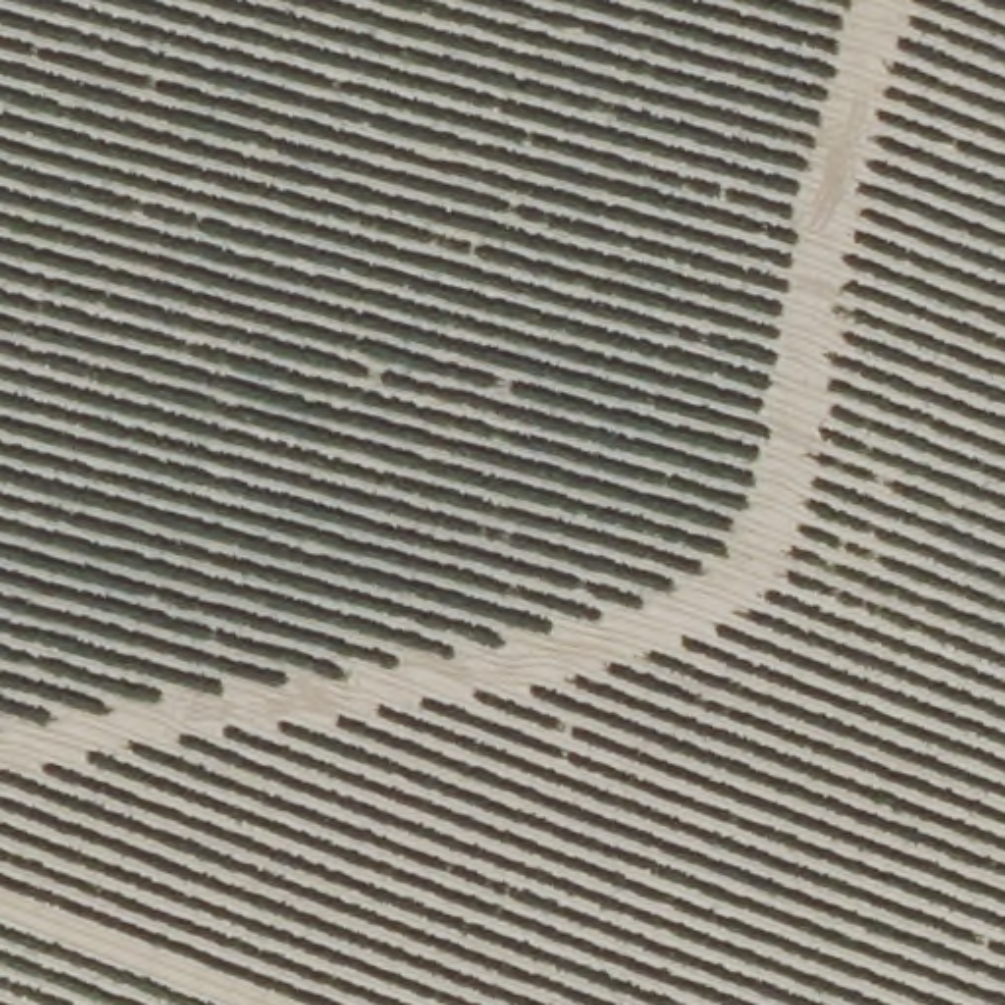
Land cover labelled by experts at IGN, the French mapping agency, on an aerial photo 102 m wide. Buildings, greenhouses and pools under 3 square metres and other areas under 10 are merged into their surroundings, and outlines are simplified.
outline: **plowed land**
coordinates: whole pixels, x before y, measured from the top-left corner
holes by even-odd
[[[130,934],[106,930],[98,923],[75,919],[59,907],[0,887],[0,923],[63,942],[90,958],[114,962],[122,970],[145,974],[153,981],[165,981],[181,993],[216,1005],[298,1005],[271,989],[216,974],[181,954],[157,950]]]

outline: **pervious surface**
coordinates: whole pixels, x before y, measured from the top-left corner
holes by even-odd
[[[762,400],[762,424],[769,428],[769,440],[758,448],[746,510],[738,510],[730,530],[718,530],[718,542],[726,542],[722,557],[711,554],[703,561],[703,573],[679,573],[679,581],[667,593],[656,589],[640,608],[608,605],[601,620],[577,620],[557,612],[550,620],[550,632],[510,628],[499,648],[455,636],[451,660],[400,648],[397,667],[377,667],[349,656],[342,667],[345,679],[322,679],[306,667],[294,667],[279,687],[228,675],[220,695],[165,683],[157,703],[126,699],[114,714],[86,714],[59,703],[51,711],[51,722],[43,726],[0,711],[0,769],[31,777],[39,766],[59,762],[86,773],[94,750],[118,754],[126,742],[149,742],[165,754],[177,754],[181,734],[200,734],[216,742],[228,726],[271,738],[279,722],[298,722],[330,734],[345,714],[377,726],[377,707],[397,707],[412,714],[424,699],[444,699],[463,707],[475,691],[495,691],[503,699],[526,703],[534,687],[557,691],[573,675],[601,679],[608,663],[640,667],[648,652],[667,652],[683,663],[695,663],[699,652],[683,648],[683,636],[711,644],[730,612],[758,612],[766,593],[781,593],[793,561],[789,550],[797,546],[801,526],[813,514],[809,499],[817,491],[817,455],[844,459],[848,451],[820,440],[820,428],[832,416],[828,381],[836,365],[828,365],[828,353],[840,349],[844,330],[852,322],[832,314],[832,302],[852,271],[844,255],[856,243],[856,232],[868,232],[872,224],[860,216],[860,185],[875,185],[879,177],[872,173],[872,157],[879,149],[883,126],[879,98],[887,94],[891,63],[903,63],[907,55],[899,51],[899,39],[911,27],[915,0],[852,0],[848,16],[840,20],[832,63],[836,75],[828,79],[813,157],[797,181],[797,255],[777,275],[789,283],[789,291],[781,302],[773,349],[777,361]]]

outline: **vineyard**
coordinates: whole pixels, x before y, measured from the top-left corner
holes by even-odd
[[[510,628],[550,632],[550,620],[557,612],[577,620],[601,620],[608,605],[640,608],[656,589],[667,593],[679,581],[679,573],[703,573],[703,561],[711,554],[722,557],[726,542],[718,542],[718,530],[730,530],[738,510],[746,510],[758,448],[769,440],[769,428],[762,424],[762,400],[777,361],[773,349],[781,302],[789,291],[789,283],[777,275],[797,255],[797,181],[813,157],[828,79],[836,75],[832,63],[840,20],[848,16],[852,0],[0,0],[0,711],[43,726],[51,722],[51,711],[59,703],[86,714],[114,714],[126,699],[157,703],[165,683],[220,695],[228,675],[279,687],[294,667],[306,667],[322,679],[345,679],[342,667],[349,656],[377,667],[397,667],[400,648],[451,660],[455,636],[499,648]]]
[[[216,1005],[181,993],[165,981],[153,981],[145,974],[122,970],[114,962],[90,958],[63,942],[0,923],[0,1005]]]
[[[868,232],[856,232],[856,243],[844,255],[852,271],[832,302],[832,314],[852,322],[844,330],[840,349],[828,353],[828,365],[836,365],[828,381],[832,416],[820,428],[820,440],[848,451],[844,459],[817,455],[817,491],[809,499],[813,514],[801,526],[797,546],[789,550],[793,561],[781,593],[766,593],[758,612],[730,612],[711,644],[683,636],[683,648],[699,652],[695,663],[683,663],[667,652],[648,652],[640,667],[608,663],[601,679],[573,675],[557,691],[534,687],[526,703],[503,699],[495,691],[475,691],[463,707],[444,699],[424,699],[412,714],[397,707],[377,707],[377,726],[345,714],[330,734],[298,722],[279,722],[271,738],[228,726],[216,742],[200,734],[181,734],[177,754],[165,754],[149,742],[126,742],[118,754],[94,750],[86,773],[59,762],[39,766],[31,777],[0,769],[0,887],[59,907],[75,919],[98,923],[106,930],[130,934],[157,950],[181,954],[216,974],[271,989],[298,1005],[1005,1005],[1005,0],[915,0],[911,27],[899,39],[899,51],[907,55],[903,63],[891,63],[887,94],[879,98],[883,126],[879,149],[872,157],[872,173],[879,177],[875,185],[860,185],[860,216],[872,224]]]

